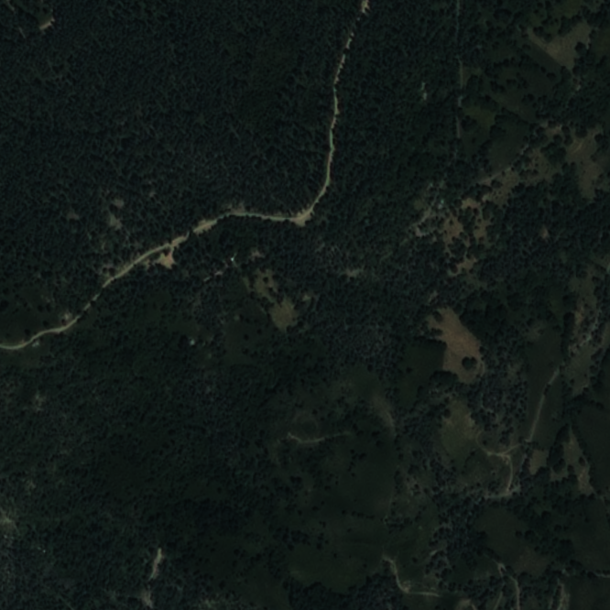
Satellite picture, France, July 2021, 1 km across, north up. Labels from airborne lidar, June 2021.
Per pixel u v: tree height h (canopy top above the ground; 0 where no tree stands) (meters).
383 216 9
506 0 11
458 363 0
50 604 13
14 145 28
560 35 9
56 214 29
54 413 9
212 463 16
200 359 0
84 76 29
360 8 29
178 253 7
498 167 0
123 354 12
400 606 8
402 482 9
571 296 14
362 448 0
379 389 0
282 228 9
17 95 32
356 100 33
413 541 0
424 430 15
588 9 7
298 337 14
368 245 10
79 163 28
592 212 20
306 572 0
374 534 0
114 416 8
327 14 29
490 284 10
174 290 16
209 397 15
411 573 0
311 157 27
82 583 9
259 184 22
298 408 11
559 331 13
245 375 8
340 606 13
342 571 0
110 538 14
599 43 0
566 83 10
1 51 32
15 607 17
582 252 16
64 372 7
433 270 18
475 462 0
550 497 8
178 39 30
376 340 6
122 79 32
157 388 8
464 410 0
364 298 9
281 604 0
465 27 26
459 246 9
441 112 15
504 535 0
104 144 30
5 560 9
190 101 32
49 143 31
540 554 8
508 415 11
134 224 20
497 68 17
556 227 22
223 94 26
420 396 12
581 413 11
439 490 17
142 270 11
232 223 14
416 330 11
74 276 10
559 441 11
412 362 0
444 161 21
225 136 23
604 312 6
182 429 9
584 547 0
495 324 15
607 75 10
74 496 8
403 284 14
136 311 8
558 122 11
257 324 8
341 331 15
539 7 13
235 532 16
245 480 11
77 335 7
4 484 11
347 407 17
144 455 8
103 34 22
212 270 19
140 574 7
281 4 30
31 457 7
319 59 26
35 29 20
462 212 8
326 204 18
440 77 10
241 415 11
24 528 8
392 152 25
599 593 0
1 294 10
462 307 16
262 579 0
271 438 10
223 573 0
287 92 30
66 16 29
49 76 17
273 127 9
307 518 0
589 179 0
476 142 10
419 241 10
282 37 8
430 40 10
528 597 9
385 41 10
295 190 20
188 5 35
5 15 26
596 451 0
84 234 21
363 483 0
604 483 0
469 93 11
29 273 8
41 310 17
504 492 0
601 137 20
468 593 10
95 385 7
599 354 10
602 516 0
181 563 20
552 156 14
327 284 20
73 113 26
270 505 11
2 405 8
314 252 10
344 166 24
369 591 11
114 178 23
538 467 0
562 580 21
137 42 29
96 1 30
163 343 11
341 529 0
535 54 0
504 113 10
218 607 6
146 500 12
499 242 7
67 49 26
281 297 12
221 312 13
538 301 13
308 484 0
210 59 34
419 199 9
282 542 7
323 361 11
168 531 14
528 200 12
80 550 11
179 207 8
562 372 10
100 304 5
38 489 6
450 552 16
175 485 7
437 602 0
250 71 30
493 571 0
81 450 10
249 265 10
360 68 29
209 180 8
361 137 25
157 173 18
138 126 26
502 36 13
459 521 16
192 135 31
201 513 21
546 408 0
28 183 26
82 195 22
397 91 7
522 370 9
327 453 6
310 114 8
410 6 22
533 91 0
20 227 28
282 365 10
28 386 11
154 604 7
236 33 29
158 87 25
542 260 15
